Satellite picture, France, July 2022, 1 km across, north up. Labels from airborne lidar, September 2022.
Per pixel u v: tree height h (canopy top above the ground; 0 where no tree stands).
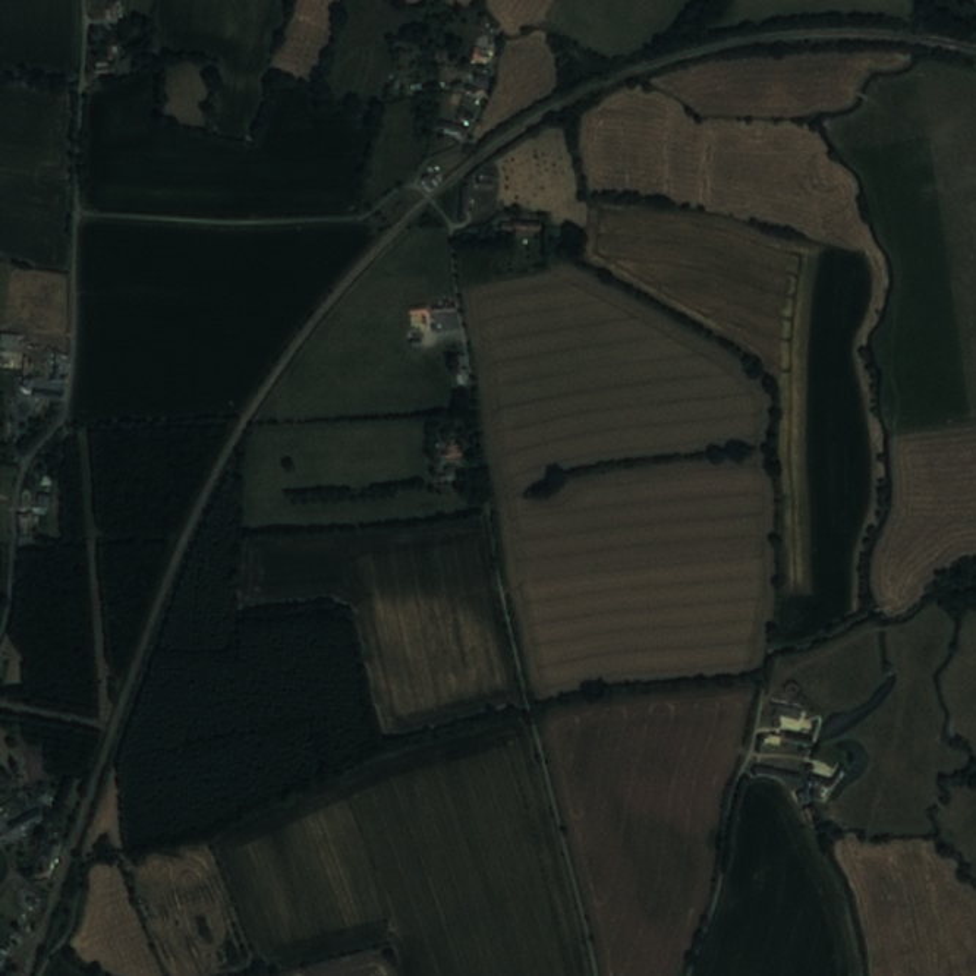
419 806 0
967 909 0
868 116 0
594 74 6
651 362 0
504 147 7
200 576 15
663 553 0
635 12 0
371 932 0
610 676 0
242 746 16
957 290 0
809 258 0
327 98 13
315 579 0
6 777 7
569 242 16
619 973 0
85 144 8
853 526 0
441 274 0
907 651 0
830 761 0
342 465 0
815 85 0
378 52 0
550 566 0
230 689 11
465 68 11
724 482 0
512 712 11
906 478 0
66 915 7
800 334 0
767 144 0
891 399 0
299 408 0
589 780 0
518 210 9
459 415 15
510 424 0
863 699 0
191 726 9
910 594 0
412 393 0
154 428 12
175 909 0
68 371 0
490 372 0
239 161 0
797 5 0
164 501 15
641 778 0
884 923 0
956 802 0
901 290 0
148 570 15
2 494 0
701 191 0
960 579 16
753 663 0
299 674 9
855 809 0
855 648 0
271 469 0
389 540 0
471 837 0
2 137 0
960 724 0
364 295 0
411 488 8
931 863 0
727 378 0
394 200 0
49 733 11
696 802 0
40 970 6
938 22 13
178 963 0
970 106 0
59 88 15
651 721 0
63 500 13
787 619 0
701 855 0
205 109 17
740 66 0
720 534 0
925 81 0
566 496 0
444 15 6
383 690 0
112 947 0
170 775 17
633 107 0
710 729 0
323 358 0
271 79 16
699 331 12
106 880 0
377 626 0
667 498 0
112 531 14
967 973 0
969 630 0
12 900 0
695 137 0
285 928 0
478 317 0
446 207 0
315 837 0
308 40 0
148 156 0
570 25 0
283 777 14
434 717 0
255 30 0
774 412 11
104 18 0
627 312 0
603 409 0
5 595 10
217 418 9
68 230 9
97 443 14
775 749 0
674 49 12
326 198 0
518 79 0
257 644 9
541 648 0
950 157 0
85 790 12
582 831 0
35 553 14
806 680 0
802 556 0
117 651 14
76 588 14
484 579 0
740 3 0
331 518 0
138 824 14
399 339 0
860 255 0
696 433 0
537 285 0
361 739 13
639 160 0
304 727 15
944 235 0
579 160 8
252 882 0
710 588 0
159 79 18
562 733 0
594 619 0
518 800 0
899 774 0
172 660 16
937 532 0
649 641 0
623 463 6
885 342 0
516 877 0
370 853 0
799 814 0
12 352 0
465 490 19
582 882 0
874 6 0
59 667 15
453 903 0
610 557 0
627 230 0
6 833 0
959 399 0
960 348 0
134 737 14
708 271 0
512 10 0
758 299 0
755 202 0
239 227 0
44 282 0
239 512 14
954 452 0
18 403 0
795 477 0
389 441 0
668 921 0
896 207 0
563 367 0
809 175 0
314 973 0
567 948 0
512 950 0
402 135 0
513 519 0
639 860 0
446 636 0
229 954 7
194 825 14
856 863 0
